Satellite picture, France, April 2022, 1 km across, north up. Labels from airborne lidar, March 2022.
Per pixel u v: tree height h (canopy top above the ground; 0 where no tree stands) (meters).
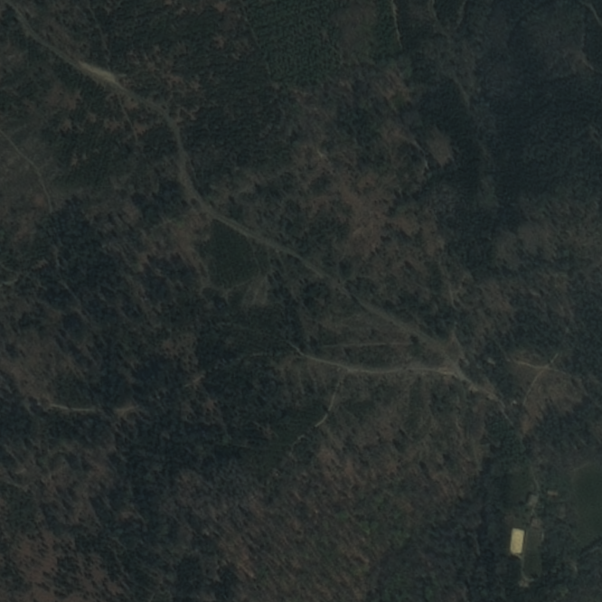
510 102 17
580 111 21
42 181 0
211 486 35
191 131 7
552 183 15
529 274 20
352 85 26
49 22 0
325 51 14
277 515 30
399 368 0
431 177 21
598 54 17
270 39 14
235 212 9
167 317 7
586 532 0
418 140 23
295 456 21
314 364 0
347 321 0
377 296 22
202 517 22
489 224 15
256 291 0
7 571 13
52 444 5
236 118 8
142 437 18
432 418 0
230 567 23
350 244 0
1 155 0
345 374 0
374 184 0
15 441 29
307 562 31
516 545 0
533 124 17
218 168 9
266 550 27
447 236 22
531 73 19
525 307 19
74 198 0
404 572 24
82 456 27
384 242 6
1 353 26
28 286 9
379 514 27
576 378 30
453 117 19
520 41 18
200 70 11
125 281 21
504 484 19
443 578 22
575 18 17
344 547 36
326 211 22
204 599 30
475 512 31
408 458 0
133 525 16
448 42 21
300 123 22
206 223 17
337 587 38
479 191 18
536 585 7
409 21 16
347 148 22
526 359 0
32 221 0
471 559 24
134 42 7
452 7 20
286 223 18
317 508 35
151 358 9
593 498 0
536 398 0
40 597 0
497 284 19
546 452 24
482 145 21
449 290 0
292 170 0
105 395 7
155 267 27
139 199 10
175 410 30
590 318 25
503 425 16
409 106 9
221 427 6
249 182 0
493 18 16
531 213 22
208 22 6
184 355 8
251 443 7
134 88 6
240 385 8
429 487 18
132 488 26
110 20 7
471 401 20
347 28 22
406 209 24
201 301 7
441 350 0
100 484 19
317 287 7
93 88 7
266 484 8
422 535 21
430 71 17
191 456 16
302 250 15
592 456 21
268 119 7
